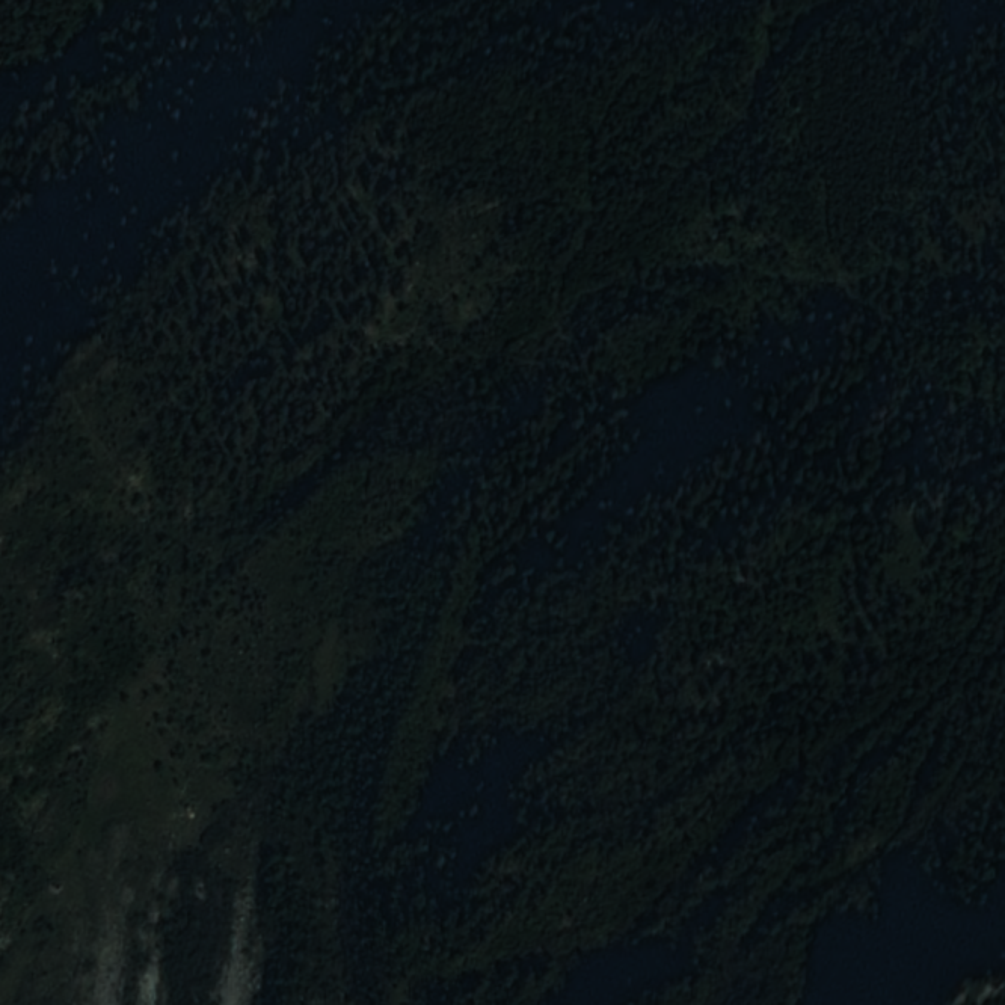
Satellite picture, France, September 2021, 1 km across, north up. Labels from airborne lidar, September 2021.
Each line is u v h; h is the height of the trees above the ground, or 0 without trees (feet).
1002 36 73
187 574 37
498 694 21
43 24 44
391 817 28
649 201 46
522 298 29
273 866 22
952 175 62
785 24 42
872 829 32
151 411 23
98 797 0
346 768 31
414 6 37
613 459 29
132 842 0
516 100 26
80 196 60
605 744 35
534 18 32
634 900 32
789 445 74
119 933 0
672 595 31
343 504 38
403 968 26
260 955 0
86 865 0
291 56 23
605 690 24
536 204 27
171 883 0
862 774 28
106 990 0
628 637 23
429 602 30
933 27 21
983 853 27
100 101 28
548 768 26
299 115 19
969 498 33
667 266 25
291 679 37
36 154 49
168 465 32
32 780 26
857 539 55
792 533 40
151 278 20
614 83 48
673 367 80
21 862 22
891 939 30
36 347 31
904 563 24
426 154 23
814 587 35
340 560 21
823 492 73
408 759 26
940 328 34
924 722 29
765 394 86
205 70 115
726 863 32
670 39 62
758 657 27
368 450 29
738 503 71
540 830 30
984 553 78
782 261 24
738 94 45
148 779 0
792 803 26
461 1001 24
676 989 24
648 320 31
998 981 35
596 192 40
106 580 24
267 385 90
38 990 0
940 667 41
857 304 23
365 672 23
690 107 39
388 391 30
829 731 54
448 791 20
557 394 33
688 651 53
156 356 61
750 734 48
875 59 33
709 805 27
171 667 21
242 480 64
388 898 46
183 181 25
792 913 46
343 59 26
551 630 23
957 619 60
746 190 38
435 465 25
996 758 38
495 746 21
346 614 22
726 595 18
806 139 34
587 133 30
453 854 34
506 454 63
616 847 25
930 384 20
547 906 29
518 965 20
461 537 29
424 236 29
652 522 31
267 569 0
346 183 103
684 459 56
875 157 35
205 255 22
